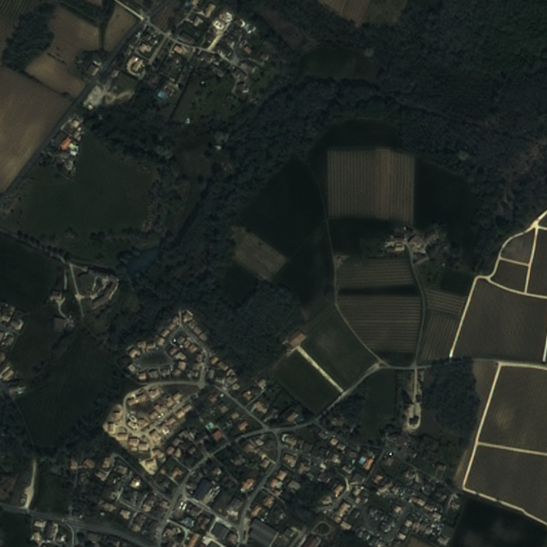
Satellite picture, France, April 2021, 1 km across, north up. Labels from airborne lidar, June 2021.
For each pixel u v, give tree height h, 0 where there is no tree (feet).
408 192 0
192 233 72
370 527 0
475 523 0
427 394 36
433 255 52
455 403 58
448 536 0
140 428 0
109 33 0
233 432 33
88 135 0
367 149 0
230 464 33
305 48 0
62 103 0
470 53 77
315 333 0
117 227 0
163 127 58
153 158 56
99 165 0
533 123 66
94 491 19
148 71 34
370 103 84
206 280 51
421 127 87
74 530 0
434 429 0
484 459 0
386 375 0
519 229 69
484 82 23
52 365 25
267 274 0
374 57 62
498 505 34
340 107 66
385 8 0
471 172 43
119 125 57
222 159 0
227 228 60
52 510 0
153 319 31
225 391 0
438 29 61
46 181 0
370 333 0
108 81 0
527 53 61
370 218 0
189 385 0
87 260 0
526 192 68
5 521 0
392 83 54
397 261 0
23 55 30
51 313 0
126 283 76
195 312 41
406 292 0
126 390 0
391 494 0
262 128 70
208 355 0
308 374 0
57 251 31
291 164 0
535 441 0
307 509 52
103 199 0
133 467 18
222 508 0
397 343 0
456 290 0
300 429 0
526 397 0
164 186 48
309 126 68
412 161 0
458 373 72
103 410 24
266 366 61
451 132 62
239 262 0
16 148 0
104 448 42
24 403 0
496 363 0
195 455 37
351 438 24
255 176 57
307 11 46
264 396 28
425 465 0
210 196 63
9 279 0
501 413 0
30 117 0
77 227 0
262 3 96
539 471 0
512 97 73
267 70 27
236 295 0
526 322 0
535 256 0
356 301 0
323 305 0
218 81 47
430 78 34
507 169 61
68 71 0
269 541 0
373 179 0
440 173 0
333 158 0
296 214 0
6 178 0
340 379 0
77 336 34
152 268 44
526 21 49
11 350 24
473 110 27
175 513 0
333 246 0
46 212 0
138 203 0
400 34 42
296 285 0
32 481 0
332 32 58
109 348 31
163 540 0
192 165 0
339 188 0
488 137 27
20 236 35
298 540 0
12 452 94
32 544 35
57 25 0
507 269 0
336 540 0
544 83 87
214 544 0
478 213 33
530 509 0
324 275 0
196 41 25
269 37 52
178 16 43
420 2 53
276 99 63
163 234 32
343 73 0
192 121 25
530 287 0
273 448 0
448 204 0
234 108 34
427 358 0
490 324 0
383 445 48
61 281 26
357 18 0
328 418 31
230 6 67
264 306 59
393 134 0
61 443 27
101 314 27
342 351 0
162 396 0
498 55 71
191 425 55
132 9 0
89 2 0
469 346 0
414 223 0
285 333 47
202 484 0
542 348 0
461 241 0
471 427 66
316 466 0
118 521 0
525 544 0
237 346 71
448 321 0
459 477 0
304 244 0
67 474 29
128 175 0
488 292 0
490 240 67
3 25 0
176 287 29
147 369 0
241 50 21
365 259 0
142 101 30
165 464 20
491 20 54
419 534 0
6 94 0
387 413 0
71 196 0
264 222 0
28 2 0
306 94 77
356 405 43
